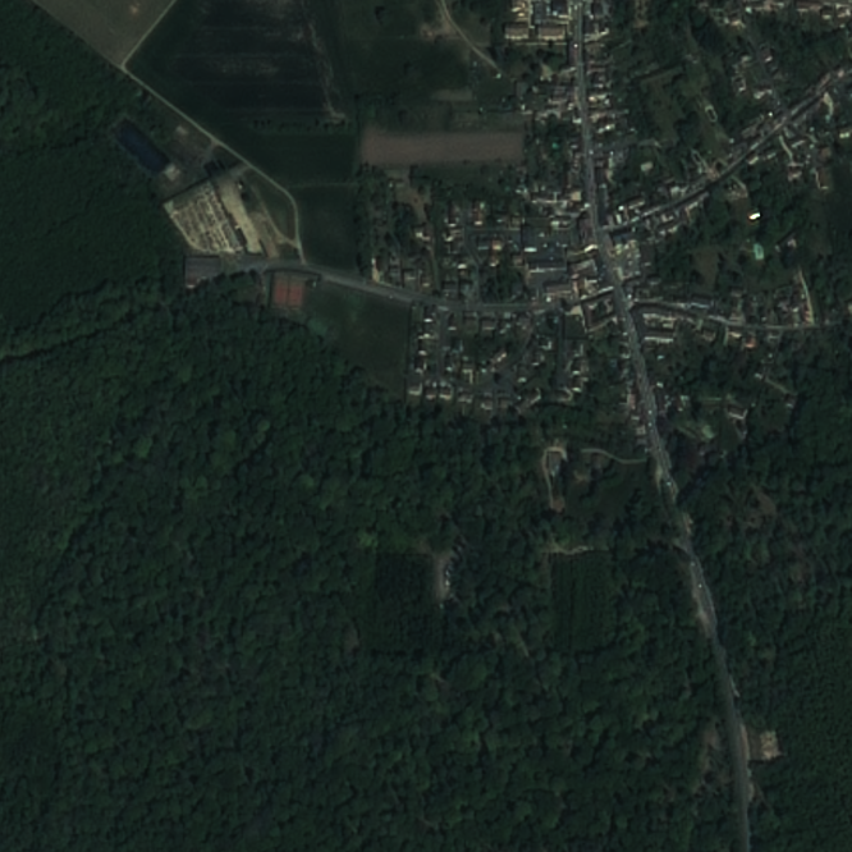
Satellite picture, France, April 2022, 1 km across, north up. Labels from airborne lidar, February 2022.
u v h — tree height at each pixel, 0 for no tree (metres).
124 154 9
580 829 26
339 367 21
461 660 19
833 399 23
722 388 9
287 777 27
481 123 0
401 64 0
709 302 0
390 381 0
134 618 33
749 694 10
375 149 0
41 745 16
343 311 0
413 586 8
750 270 23
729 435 0
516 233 0
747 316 10
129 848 25
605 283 0
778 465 22
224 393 28
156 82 0
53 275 12
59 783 20
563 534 27
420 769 31
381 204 9
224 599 28
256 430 28
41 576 15
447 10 0
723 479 27
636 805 27
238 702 25
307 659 21
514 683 33
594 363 6
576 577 12
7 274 9
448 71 0
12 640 19
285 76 0
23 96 27
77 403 19
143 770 28
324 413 25
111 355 23
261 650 19
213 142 0
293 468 30
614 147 0
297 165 0
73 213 13
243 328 26
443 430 21
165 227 10
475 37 0
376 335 0
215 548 24
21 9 14
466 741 36
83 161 15
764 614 25
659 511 7
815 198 0
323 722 13
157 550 32
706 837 26
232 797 27
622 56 0
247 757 20
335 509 32
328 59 0
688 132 21
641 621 19
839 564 22
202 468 29
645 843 25
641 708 28
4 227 13
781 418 0
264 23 0
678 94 11
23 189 13
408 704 29
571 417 17
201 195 0
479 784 35
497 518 26
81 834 15
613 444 6
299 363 28
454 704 32
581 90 0
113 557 32
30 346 22
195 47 0
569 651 10
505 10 0
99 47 0
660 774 27
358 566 31
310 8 0
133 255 10
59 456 20
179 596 31
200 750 7
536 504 6
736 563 21
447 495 31
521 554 29
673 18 9
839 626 15
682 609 28
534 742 30
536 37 0
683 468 28
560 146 9
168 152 0
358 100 11
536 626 30
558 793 30
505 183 9
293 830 30
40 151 10
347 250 0
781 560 18
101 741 27
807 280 6
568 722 32
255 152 0
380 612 8
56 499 15
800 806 13
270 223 0
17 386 21
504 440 28
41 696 27
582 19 0
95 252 10
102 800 24
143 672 30
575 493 0
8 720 16
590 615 13
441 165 0
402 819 28
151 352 26
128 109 8
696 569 0
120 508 26
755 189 22
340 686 27
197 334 30
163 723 32
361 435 25
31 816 9
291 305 0
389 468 31
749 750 0
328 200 0
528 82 14
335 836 28
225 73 0
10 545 13
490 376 0
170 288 17
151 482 30
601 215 0
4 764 16
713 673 13
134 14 0
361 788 28
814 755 10
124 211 11
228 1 0
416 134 0
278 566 29
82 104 12
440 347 0
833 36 11
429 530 27
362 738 29
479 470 25
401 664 24
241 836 20
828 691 15
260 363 27
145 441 26
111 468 19
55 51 13
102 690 30
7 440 17
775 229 25
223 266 0
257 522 31
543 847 22
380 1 0
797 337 6
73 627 23
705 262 0
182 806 18
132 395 21
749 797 0
